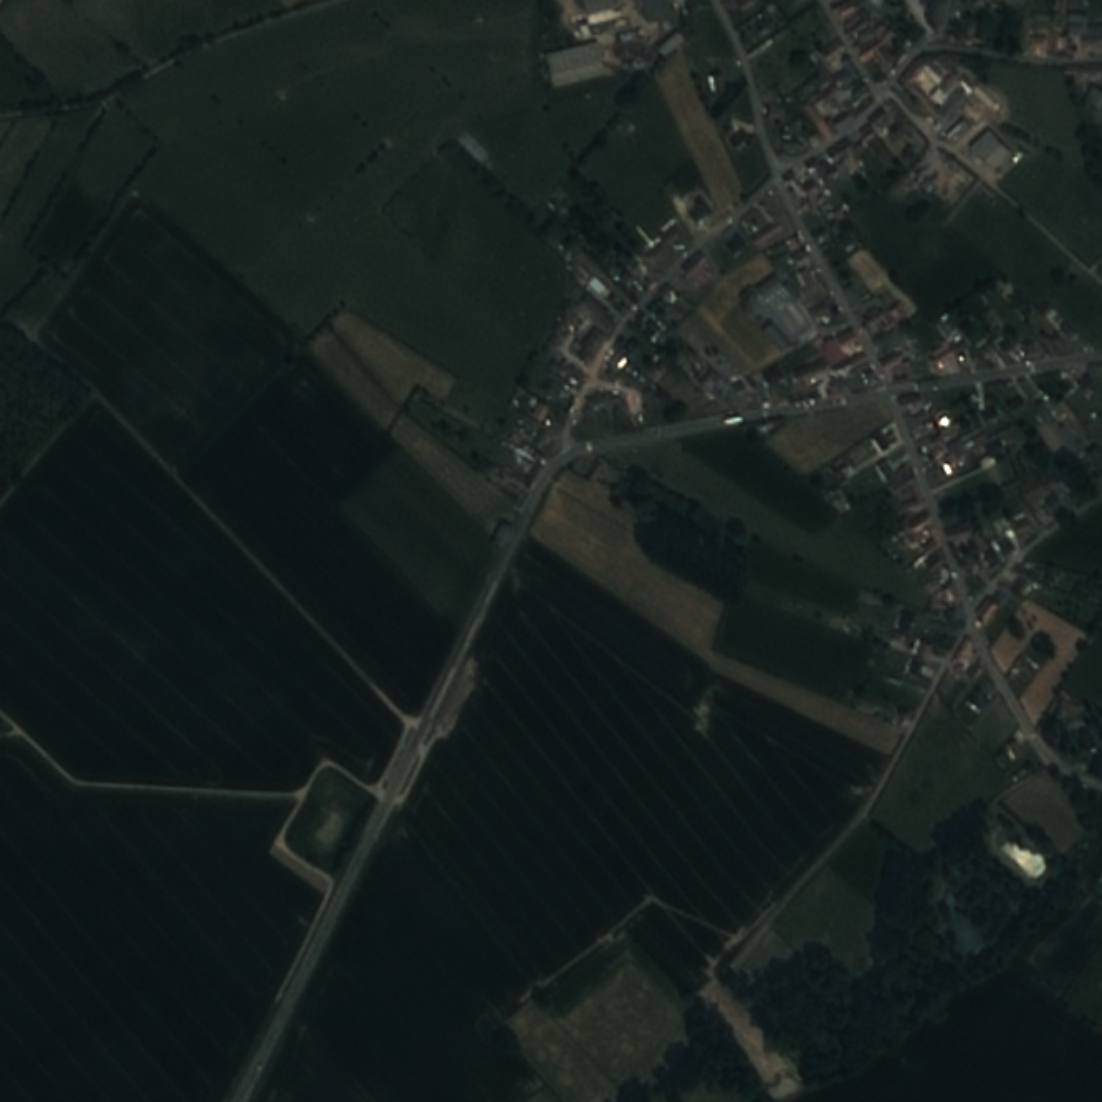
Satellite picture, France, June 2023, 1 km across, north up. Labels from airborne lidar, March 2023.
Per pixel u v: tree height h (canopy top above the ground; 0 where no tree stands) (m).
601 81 0
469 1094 0
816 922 0
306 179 0
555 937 0
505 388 0
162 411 0
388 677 0
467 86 0
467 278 0
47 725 0
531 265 0
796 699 0
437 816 0
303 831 0
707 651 0
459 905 0
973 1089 0
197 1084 0
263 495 0
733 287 0
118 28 0
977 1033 0
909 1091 0
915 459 0
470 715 0
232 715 0
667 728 0
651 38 0
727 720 0
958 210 0
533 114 0
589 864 0
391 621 0
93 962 0
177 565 0
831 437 0
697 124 0
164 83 0
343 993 0
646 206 0
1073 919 0
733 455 0
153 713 0
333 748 0
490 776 0
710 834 0
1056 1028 0
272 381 0
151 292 0
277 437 0
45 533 0
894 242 0
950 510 13
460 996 0
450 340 0
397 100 0
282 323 0
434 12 0
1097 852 0
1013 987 0
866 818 0
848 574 0
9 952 0
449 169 0
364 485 0
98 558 0
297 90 0
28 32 0
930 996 32
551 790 0
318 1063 0
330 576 0
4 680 0
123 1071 0
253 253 0
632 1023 0
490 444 0
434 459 0
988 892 8
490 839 0
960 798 0
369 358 0
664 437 0
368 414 0
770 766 0
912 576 0
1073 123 0
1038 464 9
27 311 0
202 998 0
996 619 0
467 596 0
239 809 0
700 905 0
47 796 0
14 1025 0
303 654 0
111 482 0
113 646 0
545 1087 0
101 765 0
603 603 0
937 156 0
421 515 0
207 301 0
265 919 0
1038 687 0
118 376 0
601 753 0
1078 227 0
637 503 19
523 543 0
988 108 0
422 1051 0
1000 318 0
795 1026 34
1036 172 0
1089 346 0
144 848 0
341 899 0
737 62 0
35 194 0
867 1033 36
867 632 6
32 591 0
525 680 0
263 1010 0
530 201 0
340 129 0
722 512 0
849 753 0
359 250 0
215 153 0
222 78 0
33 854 0
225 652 0
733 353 0
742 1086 28
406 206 0
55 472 0
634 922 0
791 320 0
